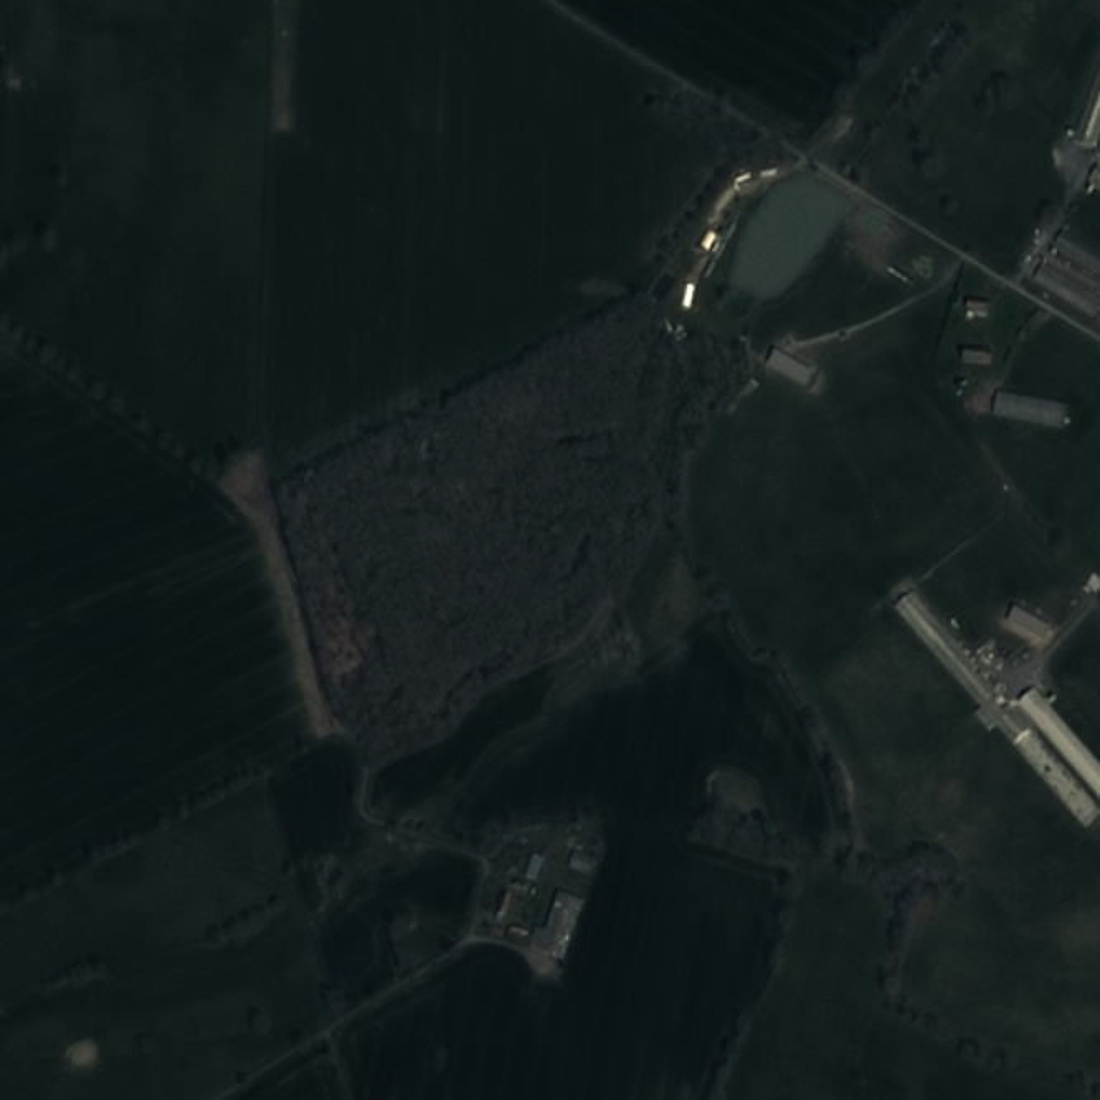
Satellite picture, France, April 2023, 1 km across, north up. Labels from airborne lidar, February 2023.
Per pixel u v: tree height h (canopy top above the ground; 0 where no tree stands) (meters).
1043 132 0
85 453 0
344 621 21
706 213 17
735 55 0
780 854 22
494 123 0
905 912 17
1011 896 0
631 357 19
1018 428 0
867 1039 0
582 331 16
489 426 19
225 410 0
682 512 21
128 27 0
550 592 23
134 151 0
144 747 0
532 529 19
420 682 21
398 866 0
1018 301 0
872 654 0
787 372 0
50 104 0
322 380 0
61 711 0
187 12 0
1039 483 0
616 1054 0
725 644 0
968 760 0
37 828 0
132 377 0
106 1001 0
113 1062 0
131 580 0
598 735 0
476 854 0
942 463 0
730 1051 13
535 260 0
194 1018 0
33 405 0
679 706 0
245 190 0
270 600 0
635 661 26
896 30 18
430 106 0
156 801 0
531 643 21
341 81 0
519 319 0
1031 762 0
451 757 0
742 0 0
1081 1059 0
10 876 0
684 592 0
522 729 0
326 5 0
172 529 0
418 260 0
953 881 22
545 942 0
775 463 0
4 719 0
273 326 0
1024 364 0
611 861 0
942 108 0
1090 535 0
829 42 0
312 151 0
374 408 0
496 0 0
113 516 0
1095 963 0
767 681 0
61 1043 0
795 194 0
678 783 0
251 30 0
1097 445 0
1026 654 0
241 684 0
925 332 0
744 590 0
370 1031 0
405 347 0
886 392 0
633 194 0
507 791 0
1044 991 0
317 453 0
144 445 0
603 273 0
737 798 0
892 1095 0
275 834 0
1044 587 0
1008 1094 0
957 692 0
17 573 0
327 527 19
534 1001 0
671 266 15
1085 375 0
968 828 0
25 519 0
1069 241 0
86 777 0
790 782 0
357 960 0
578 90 0
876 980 0
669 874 0
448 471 20
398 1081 0
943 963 0
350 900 0
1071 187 0
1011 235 0
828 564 0
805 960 0
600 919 0
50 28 0
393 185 0
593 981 0
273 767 0
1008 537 0
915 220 0
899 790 0
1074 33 0
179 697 0
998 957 0
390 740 13
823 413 0
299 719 0
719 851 19
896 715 0
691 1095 0
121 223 0
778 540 0
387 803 0
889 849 0
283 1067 0
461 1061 0
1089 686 0
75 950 0
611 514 18
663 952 0
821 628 0
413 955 0
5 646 0
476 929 0
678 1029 0
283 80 0
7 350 0
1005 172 0
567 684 0
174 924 0
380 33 0
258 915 13
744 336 0
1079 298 0
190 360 0
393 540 17
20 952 0
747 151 20
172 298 0
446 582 17
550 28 0
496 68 0
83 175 0
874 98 0
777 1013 0
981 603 0
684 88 9
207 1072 0
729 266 0
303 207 0
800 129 0
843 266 0
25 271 0
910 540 0
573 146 0
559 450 16
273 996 0
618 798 0
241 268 0
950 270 0
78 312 0
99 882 0
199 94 0
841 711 0
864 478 0
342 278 0
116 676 0
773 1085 0
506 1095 0
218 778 0
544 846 0
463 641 19
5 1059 0
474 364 0
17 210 0
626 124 0
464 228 0
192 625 0
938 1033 18
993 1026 0
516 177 0
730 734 0
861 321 0
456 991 0
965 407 0
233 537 0
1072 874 0
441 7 0
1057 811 0
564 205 0
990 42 0
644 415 19
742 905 0
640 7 0
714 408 9
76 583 0
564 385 19
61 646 0
